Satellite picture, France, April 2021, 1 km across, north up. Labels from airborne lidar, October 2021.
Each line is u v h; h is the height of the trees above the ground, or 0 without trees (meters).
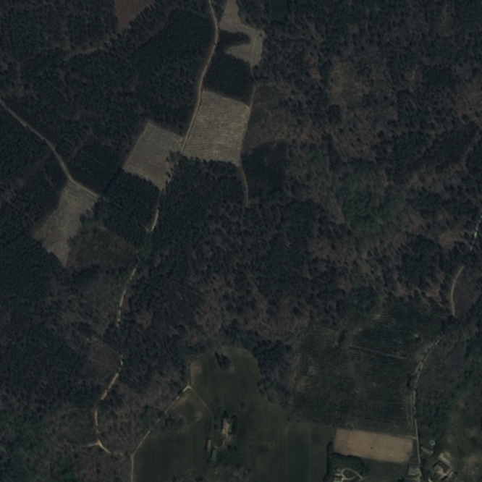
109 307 11
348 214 21
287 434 0
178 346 25
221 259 17
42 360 16
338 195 13
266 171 8
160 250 19
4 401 9
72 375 14
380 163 18
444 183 14
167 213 16
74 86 17
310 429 0
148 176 0
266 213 25
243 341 20
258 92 7
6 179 17
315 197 6
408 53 19
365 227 19
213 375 0
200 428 0
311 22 19
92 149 10
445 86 12
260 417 0
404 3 20
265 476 0
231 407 0
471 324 20
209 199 15
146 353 8
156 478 0
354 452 0
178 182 14
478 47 14
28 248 21
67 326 11
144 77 11
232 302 17
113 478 10
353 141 10
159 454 0
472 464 0
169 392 15
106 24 12
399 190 8
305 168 22
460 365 10
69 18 11
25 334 16
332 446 8
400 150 23
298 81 16
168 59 18
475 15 27
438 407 12
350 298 16
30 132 18
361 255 24
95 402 13
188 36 11
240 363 0
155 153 0
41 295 21
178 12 11
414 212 19
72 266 0
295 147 17
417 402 10
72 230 0
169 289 19
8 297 19
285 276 22
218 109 0
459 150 14
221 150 0
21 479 18
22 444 18
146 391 14
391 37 8
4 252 21
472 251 11
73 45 19
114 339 15
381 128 17
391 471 0
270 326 14
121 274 11
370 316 18
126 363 17
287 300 26
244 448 0
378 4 22
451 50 21
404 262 9
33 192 8
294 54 8
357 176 22
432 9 15
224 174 19
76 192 0
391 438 0
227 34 8
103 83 20
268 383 18
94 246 9
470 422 0
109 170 9
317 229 8
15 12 17
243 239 22
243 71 9
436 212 20
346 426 0
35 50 20
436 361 5
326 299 25
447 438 0
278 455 0
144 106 12
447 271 22
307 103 8
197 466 0
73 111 15
